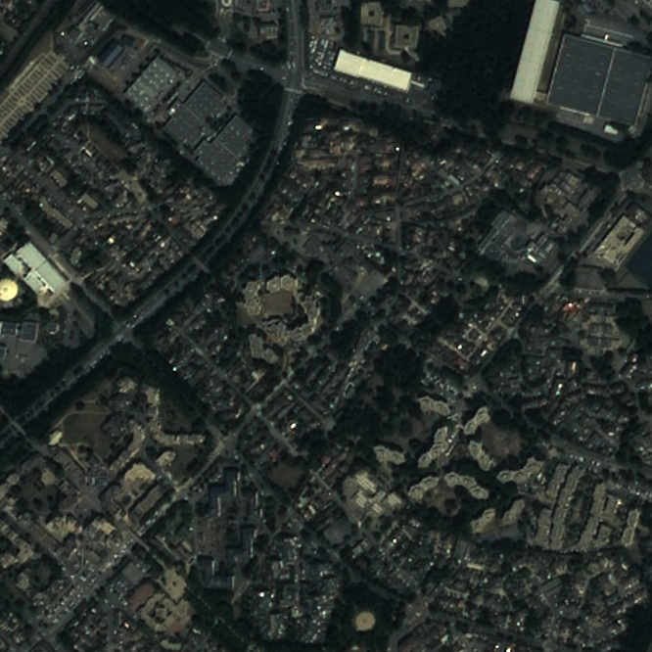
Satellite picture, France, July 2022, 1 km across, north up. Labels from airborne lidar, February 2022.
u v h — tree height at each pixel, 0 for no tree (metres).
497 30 20
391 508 0
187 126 0
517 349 12
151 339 16
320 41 0
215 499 0
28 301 15
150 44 0
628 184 0
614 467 0
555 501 0
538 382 9
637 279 0
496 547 13
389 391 13
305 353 11
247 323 0
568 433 7
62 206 0
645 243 0
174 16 18
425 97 0
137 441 0
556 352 0
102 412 0
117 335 0
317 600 0
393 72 0
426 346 18
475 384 0
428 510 12
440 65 6
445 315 19
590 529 0
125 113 17
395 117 15
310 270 13
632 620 14
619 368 0
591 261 0
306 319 0
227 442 0
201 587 13
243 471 7
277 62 12
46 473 0
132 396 0
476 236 0
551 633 0
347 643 11
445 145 13
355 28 17
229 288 7
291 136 8
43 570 0
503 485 17
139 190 0
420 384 11
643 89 0
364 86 0
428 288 8
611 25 0
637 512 0
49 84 0
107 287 10
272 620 0
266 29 0
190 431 0
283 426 10
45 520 0
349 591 12
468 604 6
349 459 0
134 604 0
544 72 0
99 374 11
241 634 14
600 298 0
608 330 0
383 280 0
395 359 9
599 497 0
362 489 0
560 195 0
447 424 10
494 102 14
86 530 0
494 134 19
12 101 0
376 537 11
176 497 0
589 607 9
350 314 0
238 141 0
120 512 0
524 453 12
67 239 0
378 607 12
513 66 9
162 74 0
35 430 12
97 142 0
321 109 15
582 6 0
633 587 0
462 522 16
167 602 0
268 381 5
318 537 11
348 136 0
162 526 10
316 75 0
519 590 0
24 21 7
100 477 0
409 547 11
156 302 0
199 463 11
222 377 0
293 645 15
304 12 15
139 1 15
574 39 0
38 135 8
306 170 0
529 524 9
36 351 0
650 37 10
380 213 0
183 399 14
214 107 0
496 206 16
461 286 10
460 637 0
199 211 0
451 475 0
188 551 0
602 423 9
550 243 0
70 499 0
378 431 17
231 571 6
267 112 15
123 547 0
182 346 6
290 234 6
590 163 0
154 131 15
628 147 17
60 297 0
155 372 17
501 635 11
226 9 0
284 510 14
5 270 12
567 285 11
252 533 0
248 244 0
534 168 0
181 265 13
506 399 8
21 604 13
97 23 0
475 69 13
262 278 0
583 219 0
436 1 16
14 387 14
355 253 0
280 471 0
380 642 14
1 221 0
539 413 12
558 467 0
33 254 0
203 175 18
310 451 15
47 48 0
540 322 7
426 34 15
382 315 11
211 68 0
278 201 0
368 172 8
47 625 8
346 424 12
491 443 0
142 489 0
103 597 9
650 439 0
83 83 8
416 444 12
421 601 0
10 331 0
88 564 0
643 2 0
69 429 0
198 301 7
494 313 0
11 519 0
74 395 12
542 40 0
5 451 11
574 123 0
